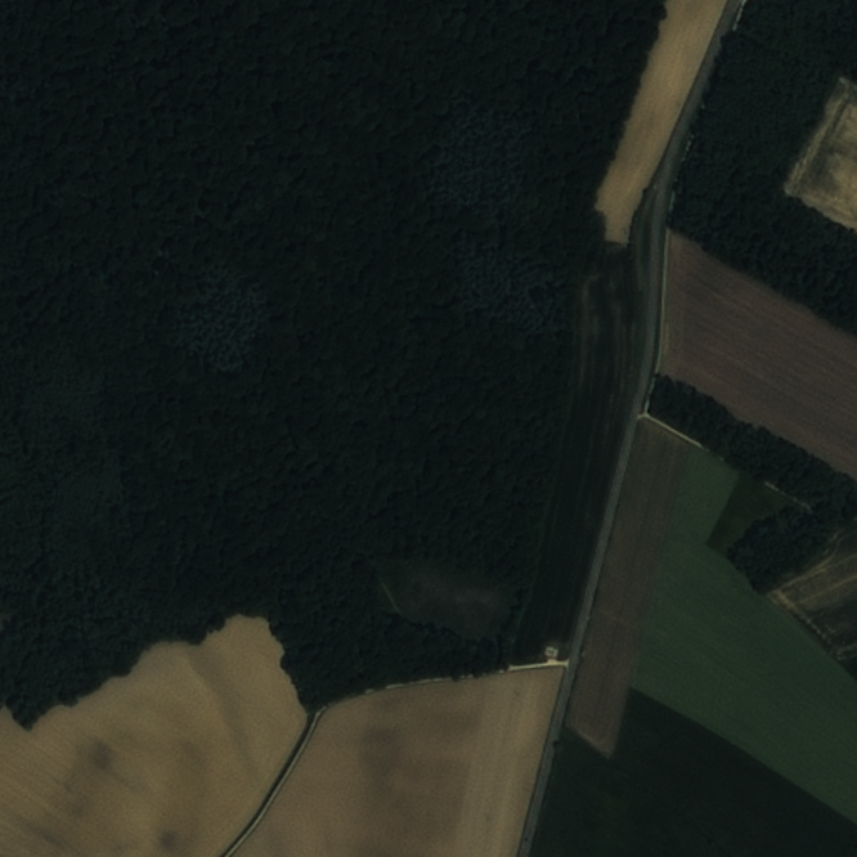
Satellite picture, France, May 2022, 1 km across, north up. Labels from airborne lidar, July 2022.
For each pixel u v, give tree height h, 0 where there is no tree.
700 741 0
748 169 19
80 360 21
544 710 0
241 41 21
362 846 0
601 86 27
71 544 27
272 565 23
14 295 16
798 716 0
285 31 30
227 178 26
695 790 0
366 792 0
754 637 0
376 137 25
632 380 0
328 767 0
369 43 26
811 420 0
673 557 0
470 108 30
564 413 17
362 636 19
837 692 0
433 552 22
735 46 21
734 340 0
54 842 0
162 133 24
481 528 27
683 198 21
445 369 28
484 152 31
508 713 0
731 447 18
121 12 26
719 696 0
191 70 29
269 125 21
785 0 16
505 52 21
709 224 9
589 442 0
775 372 0
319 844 0
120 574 21
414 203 27
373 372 22
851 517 22
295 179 12
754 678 0
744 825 0
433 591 0
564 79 27
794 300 17
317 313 24
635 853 0
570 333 20
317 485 26
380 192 28
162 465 29
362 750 0
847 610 0
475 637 0
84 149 27
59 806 0
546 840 0
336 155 26
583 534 0
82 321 25
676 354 0
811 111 23
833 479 21
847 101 0
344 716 0
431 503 28
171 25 27
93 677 23
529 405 22
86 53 22
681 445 0
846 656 0
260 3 29
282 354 26
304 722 0
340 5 28
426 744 0
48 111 15
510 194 30
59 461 20
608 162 17
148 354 24
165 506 26
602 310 0
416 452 29
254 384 21
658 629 0
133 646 26
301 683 21
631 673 0
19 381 21
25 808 0
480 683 0
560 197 23
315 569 23
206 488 23
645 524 0
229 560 30
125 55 32
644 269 0
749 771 0
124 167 25
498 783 0
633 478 0
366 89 29
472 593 0
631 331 0
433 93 29
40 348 27
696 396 22
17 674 10
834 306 21
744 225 23
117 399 22
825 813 0
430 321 25
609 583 0
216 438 22
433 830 0
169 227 16
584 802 0
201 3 25
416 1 27
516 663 0
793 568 21
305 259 28
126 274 22
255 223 21
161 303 20
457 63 25
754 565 21
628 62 29
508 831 0
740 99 27
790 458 23
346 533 25
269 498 16
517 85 23
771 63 25
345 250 24
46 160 29
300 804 0
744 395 0
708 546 0
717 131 25
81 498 17
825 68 7
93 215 25
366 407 22
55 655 16
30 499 17
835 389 0
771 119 26
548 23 19
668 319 0
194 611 31
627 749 0
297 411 26
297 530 24
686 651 0
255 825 0
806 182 0
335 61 26
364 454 23
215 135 28
